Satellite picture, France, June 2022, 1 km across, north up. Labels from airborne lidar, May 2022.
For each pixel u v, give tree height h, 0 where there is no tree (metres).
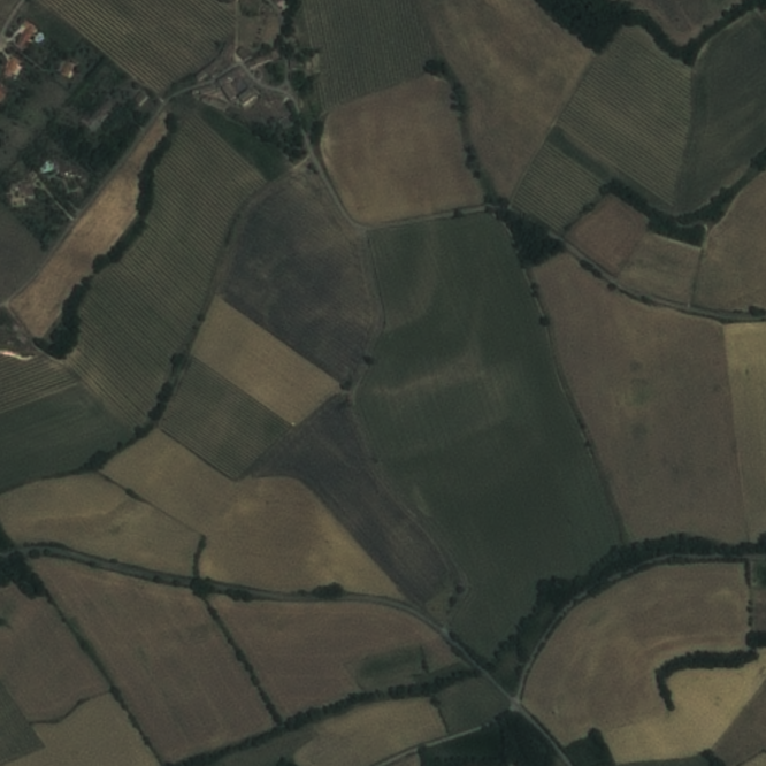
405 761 0
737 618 0
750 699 0
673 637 0
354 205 0
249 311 0
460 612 0
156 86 0
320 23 0
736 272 0
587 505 0
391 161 0
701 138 0
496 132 0
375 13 0
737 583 0
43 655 0
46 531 0
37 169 6
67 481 0
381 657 0
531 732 13
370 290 0
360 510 0
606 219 0
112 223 0
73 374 0
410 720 0
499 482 0
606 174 0
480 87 0
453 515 0
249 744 11
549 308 0
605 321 0
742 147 0
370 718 0
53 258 0
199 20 0
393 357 0
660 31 12
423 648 0
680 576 0
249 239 0
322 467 0
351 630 0
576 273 0
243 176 0
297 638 0
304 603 0
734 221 0
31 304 0
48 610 0
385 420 0
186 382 0
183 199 0
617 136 0
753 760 0
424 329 0
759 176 0
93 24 0
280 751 0
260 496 0
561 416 0
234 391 0
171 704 0
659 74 0
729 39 0
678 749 0
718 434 0
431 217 0
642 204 11
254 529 0
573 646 0
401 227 0
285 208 0
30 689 0
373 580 0
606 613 0
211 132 0
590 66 0
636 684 0
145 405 0
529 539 0
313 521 0
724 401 0
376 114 0
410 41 0
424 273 0
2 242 0
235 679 0
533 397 0
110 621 0
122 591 0
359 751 0
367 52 0
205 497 0
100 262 14
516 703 0
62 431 0
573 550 0
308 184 0
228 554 0
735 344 0
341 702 10
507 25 0
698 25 0
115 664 0
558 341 0
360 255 0
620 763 0
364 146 0
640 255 0
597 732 15
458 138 0
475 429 0
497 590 0
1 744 0
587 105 0
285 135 10
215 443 0
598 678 0
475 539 0
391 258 0
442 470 0
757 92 0
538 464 0
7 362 0
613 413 0
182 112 0
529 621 19
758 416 0
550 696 0
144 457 0
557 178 0
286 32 15
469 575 0
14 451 0
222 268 0
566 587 16
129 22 0
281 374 0
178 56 0
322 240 0
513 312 0
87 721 0
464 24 0
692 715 0
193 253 0
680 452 0
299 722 19
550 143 0
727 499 0
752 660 12
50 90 0
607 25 22
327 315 0
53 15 0
